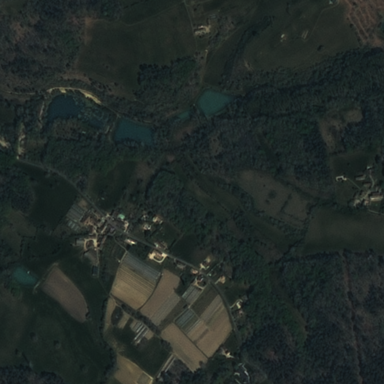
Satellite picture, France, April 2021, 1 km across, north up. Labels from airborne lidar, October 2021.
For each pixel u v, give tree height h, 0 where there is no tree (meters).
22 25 16
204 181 0
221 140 12
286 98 37
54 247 0
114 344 0
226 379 22
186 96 16
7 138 22
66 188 0
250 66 0
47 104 29
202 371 11
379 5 0
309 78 16
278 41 0
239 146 13
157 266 0
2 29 16
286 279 29
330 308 19
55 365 0
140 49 0
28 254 0
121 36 0
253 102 34
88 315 10
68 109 0
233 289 0
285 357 19
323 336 12
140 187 12
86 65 0
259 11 0
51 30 21
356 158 0
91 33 0
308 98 35
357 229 0
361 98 24
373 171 7
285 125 17
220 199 0
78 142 13
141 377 0
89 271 0
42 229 6
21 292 17
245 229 12
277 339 29
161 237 0
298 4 0
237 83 7
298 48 0
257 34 12
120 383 0
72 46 18
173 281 0
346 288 24
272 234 0
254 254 21
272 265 11
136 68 0
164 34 0
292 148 19
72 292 0
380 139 21
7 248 8
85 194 16
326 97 35
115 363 14
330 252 0
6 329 0
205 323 0
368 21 0
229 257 15
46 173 7
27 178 14
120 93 0
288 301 0
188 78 21
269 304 25
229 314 0
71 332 0
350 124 0
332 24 0
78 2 20
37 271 0
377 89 25
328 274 22
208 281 0
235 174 16
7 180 24
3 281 20
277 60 0
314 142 20
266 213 12
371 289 16
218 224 22
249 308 26
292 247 8
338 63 23
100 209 0
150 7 0
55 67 15
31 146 0
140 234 0
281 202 0
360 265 21
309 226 10
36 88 10
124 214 0
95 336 0
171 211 21
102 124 0
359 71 38
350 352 19
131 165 0
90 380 0
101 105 6
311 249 0
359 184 0
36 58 18
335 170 0
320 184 21
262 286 25
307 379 21
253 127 15
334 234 0
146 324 12
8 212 17
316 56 0
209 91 0
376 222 0
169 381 0
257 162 19
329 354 27
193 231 18
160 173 19
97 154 25
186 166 7
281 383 26
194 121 30
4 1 12
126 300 0
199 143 12
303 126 25
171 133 12
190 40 0
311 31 0
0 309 0
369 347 26
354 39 0
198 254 0
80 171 18
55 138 9
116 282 0
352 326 26
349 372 28
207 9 0
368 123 22
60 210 0
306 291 26
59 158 16
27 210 24
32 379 24
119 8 16
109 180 0
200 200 0
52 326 0
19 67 15
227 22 16
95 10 27
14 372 21
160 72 23
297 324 5
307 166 14
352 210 19
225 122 21
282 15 0
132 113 16
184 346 0
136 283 0
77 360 0
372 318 21
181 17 0
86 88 14
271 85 9
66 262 0
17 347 0
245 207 8
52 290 0
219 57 0
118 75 0
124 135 0
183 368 11
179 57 0
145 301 0
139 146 17
